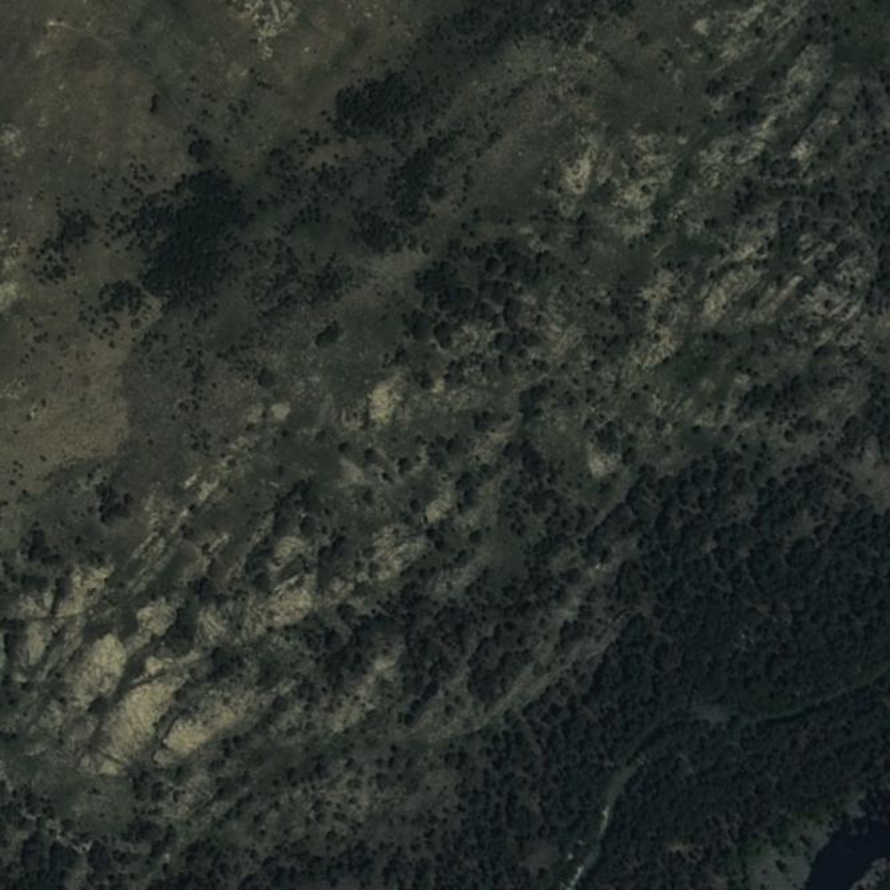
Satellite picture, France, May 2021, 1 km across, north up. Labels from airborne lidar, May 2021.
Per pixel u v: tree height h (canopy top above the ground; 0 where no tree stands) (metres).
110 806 0
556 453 0
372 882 13
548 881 20
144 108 0
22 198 0
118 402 0
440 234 0
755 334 16
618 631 10
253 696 0
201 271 13
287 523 21
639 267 0
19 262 0
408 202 7
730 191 0
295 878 21
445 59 0
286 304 9
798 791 28
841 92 0
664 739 25
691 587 8
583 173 0
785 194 13
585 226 10
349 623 11
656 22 0
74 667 0
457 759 20
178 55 0
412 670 23
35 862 26
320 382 0
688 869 29
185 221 14
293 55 0
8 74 0
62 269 8
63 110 0
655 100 0
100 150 0
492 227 0
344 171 7
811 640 35
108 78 0
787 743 28
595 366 12
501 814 19
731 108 0
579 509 9
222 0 0
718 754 25
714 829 22
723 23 0
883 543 24
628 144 0
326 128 0
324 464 0
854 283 7
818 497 21
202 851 28
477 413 6
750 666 27
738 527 19
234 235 7
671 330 0
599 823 17
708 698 26
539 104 0
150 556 0
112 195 0
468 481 20
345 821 17
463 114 0
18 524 0
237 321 0
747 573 35
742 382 0
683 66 0
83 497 0
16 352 0
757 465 9
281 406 0
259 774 0
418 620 32
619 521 30
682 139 0
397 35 0
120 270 0
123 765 0
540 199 0
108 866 23
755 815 24
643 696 24
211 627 0
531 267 28
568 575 14
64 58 0
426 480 0
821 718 32
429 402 0
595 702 29
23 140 0
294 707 0
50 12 0
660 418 8
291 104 0
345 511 0
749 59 0
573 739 27
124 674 0
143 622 0
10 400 0
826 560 35
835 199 23
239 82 0
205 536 0
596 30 0
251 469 0
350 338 0
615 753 27
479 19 6
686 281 8
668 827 25
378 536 0
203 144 13
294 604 0
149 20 0
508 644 19
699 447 0
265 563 15
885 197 11
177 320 0
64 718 0
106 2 0
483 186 0
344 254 0
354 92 8
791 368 0
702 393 0
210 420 0
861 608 37
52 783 0
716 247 0
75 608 0
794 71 0
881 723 15
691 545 30
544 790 21
